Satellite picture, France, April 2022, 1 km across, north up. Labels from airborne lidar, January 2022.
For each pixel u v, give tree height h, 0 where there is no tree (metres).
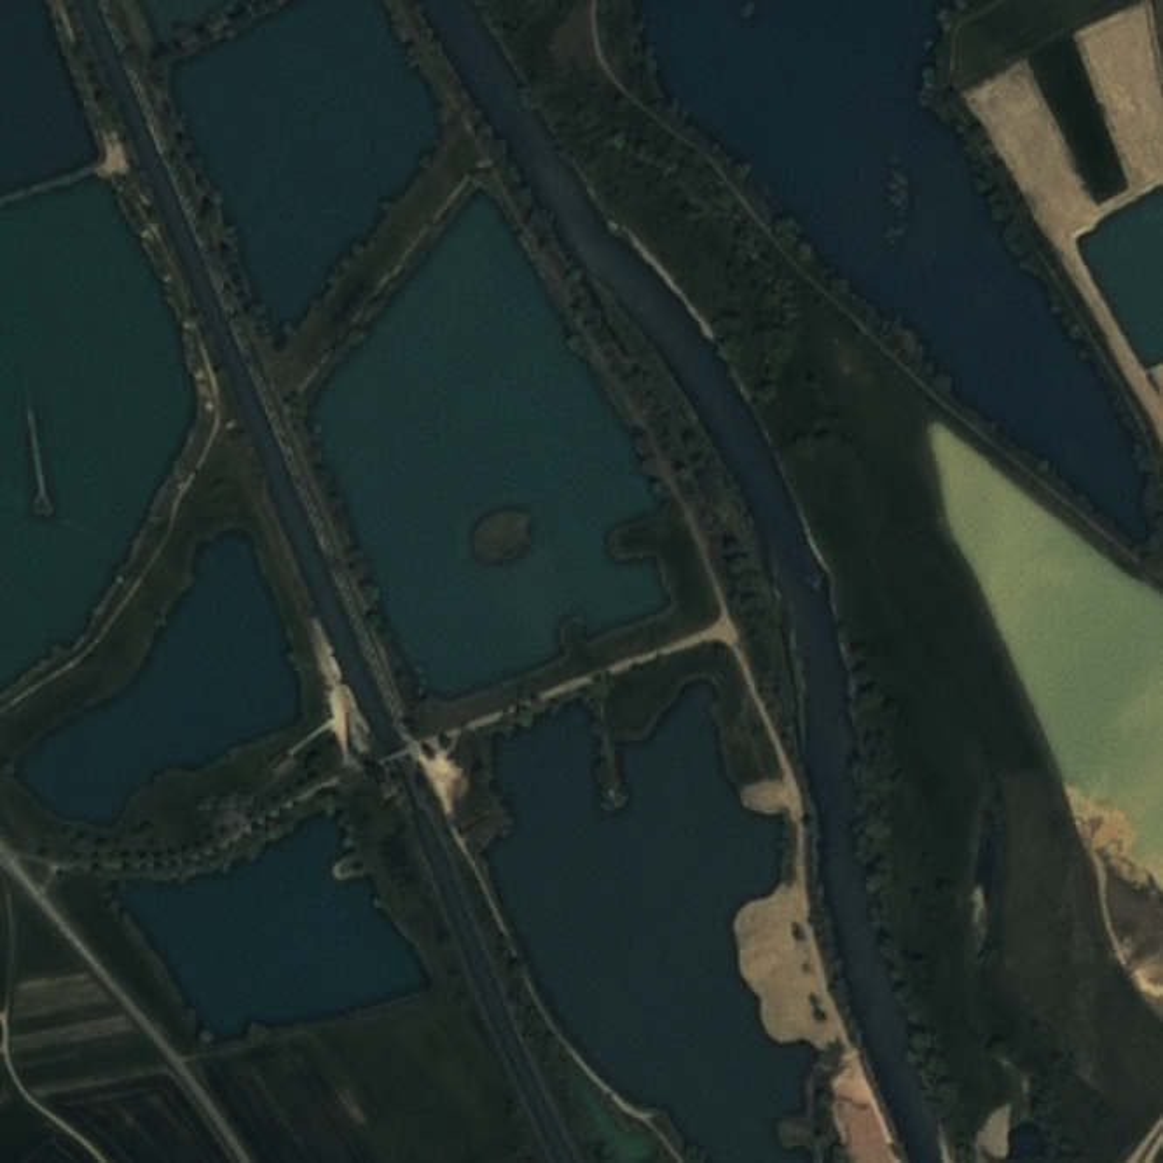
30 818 0
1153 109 0
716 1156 0
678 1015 0
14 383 0
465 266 0
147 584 0
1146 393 0
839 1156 13
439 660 0
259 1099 0
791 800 0
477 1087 0
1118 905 0
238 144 0
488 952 0
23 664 0
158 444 0
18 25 0
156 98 0
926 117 0
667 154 10
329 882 0
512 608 0
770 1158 0
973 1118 0
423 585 0
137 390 0
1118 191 0
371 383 0
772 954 0
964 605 0
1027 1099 0
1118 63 0
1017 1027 0
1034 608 0
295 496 0
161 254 0
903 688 0
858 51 0
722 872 0
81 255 0
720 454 0
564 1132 0
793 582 0
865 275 0
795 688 0
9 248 0
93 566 0
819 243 0
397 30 6
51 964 0
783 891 0
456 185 0
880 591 0
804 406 0
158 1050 0
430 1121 0
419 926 0
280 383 0
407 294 0
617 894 0
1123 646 0
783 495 0
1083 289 0
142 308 0
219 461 0
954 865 0
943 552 0
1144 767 0
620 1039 0
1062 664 0
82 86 0
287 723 0
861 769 19
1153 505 12
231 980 0
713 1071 0
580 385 0
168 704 0
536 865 0
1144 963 0
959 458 0
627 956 0
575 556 0
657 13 0
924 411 0
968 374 0
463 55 0
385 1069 0
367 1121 0
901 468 0
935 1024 0
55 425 0
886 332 6
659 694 0
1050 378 0
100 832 0
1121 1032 0
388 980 0
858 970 0
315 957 0
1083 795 0
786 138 0
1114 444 0
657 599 0
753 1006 0
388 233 0
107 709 0
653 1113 0
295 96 0
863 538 0
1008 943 0
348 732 0
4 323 0
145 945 0
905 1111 0
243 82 0
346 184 0
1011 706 0
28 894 0
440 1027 0
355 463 0
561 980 0
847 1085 0
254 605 0
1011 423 0
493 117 0
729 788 0
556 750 0
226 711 0
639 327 0
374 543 0
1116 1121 0
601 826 0
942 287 0
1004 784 0
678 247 0
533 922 0
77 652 0
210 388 0
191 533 0
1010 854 0
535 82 10
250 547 0
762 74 0
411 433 0
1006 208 11
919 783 0
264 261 0
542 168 0
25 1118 0
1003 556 0
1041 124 0
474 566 0
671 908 0
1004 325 0
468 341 0
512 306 0
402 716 0
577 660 0
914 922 0
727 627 0
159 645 0
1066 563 0
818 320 0
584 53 0
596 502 0
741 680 0
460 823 14
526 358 0
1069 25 0
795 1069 0
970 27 0
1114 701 0
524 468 0
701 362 0
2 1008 0
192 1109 0
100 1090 0
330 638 0
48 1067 0
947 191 0
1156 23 0
